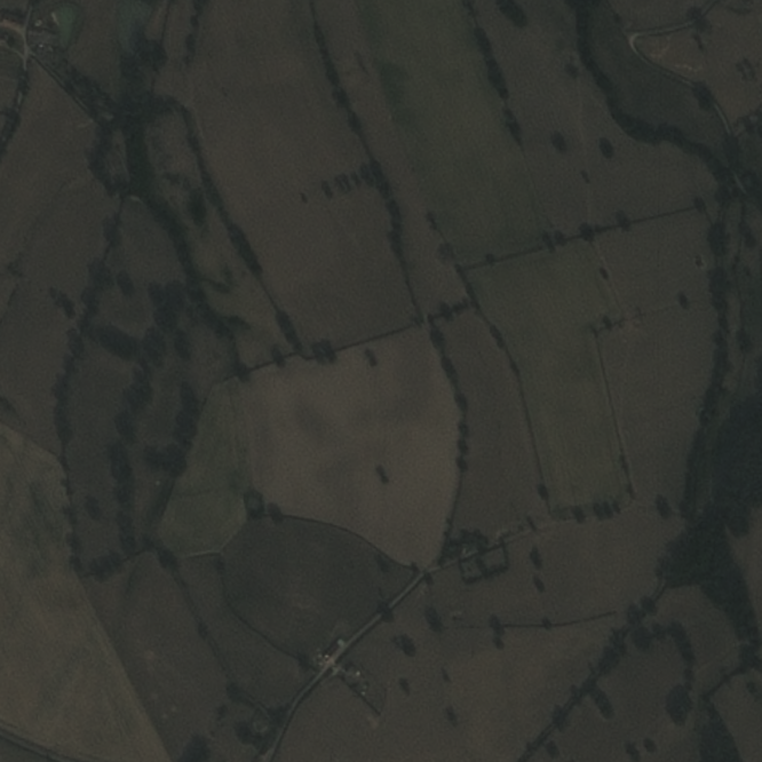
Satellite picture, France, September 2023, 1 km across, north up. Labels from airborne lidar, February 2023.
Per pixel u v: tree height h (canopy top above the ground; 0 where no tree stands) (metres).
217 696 0
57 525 0
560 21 0
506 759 0
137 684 0
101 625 0
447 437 0
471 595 0
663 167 0
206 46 0
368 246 0
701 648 0
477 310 15
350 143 0
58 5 0
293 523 0
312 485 0
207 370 0
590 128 0
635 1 0
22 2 0
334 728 0
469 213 0
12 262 0
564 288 0
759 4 0
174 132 0
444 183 0
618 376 0
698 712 0
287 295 0
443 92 0
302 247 0
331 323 0
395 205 10
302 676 0
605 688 0
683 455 0
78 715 0
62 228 0
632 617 17
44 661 0
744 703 0
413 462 0
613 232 0
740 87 0
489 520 0
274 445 0
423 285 0
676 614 0
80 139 0
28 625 0
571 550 0
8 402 0
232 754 0
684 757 0
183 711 0
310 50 0
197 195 0
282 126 0
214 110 0
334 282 0
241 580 0
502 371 0
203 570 0
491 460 0
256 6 0
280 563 0
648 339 0
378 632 0
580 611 0
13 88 0
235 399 0
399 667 0
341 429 0
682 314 0
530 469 0
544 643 0
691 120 0
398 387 0
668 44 0
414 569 9
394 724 0
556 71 0
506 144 0
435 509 0
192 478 0
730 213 0
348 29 0
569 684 0
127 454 21
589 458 0
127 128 13
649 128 19
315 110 0
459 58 0
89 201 0
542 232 0
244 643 0
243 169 0
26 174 0
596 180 0
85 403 0
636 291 0
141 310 0
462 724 0
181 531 0
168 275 0
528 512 0
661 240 0
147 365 21
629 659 0
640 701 0
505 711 0
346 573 0
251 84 0
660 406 0
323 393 0
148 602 0
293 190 0
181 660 0
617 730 0
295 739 0
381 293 0
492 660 0
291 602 0
